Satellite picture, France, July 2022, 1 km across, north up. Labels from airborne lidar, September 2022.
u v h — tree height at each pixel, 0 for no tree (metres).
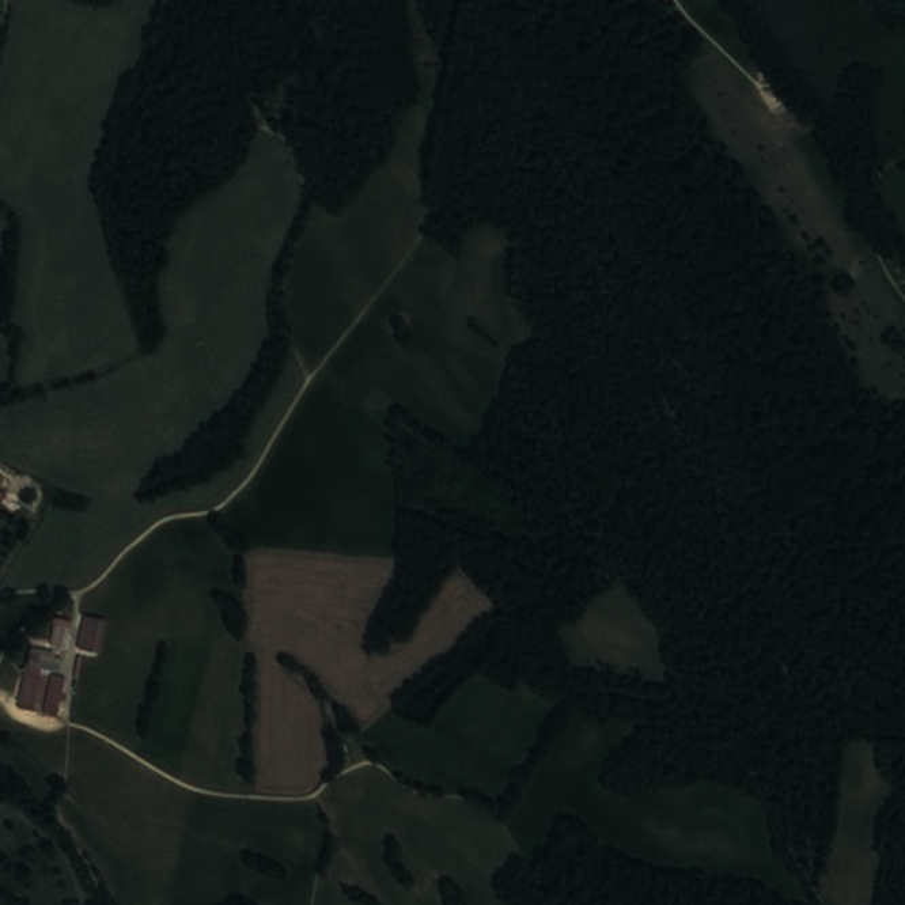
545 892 16
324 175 13
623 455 26
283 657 14
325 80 23
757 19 11
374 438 0
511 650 19
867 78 10
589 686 13
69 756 0
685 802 0
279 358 18
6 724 0
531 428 30
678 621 18
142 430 0
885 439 34
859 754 0
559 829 15
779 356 40
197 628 0
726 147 12
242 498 0
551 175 26
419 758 0
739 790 13
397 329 17
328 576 0
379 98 24
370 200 0
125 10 0
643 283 20
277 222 0
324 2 17
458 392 0
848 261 0
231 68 21
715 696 19
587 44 42
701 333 34
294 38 25
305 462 0
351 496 0
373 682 0
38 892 0
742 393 34
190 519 0
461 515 9
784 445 41
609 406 27
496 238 0
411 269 0
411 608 22
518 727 0
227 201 0
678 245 39
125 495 0
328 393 0
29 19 0
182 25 19
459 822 0
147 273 14
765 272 33
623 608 0
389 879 0
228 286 0
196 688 0
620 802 0
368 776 0
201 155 19
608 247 22
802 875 15
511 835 0
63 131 0
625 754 23
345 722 17
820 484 37
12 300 17
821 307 11
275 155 0
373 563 0
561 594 23
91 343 0
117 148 17
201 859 0
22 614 0
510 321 0
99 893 19
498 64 20
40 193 0
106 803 0
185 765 0
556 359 21
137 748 0
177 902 0
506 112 18
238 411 17
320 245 0
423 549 23
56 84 0
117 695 0
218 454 20
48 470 0
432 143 20
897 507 31
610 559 18
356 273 0
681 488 29
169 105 17
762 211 14
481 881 0
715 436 22
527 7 37
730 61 0
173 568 0
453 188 17
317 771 0
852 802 0
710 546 26
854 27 0
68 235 0
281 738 0
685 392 28
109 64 0
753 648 21
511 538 6
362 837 0
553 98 27
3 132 0
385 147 23
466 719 0
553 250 19
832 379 33
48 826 21
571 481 24
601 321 21
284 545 0
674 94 34
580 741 0
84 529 0
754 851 0
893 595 28
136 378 0
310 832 0
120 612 0
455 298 0
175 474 8
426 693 11
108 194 18
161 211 22
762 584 29
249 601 0
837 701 23
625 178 35
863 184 25
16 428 0
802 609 25
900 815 18
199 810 0
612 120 37
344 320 0
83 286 0
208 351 0
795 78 19
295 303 0
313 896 0
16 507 0
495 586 27
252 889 0
